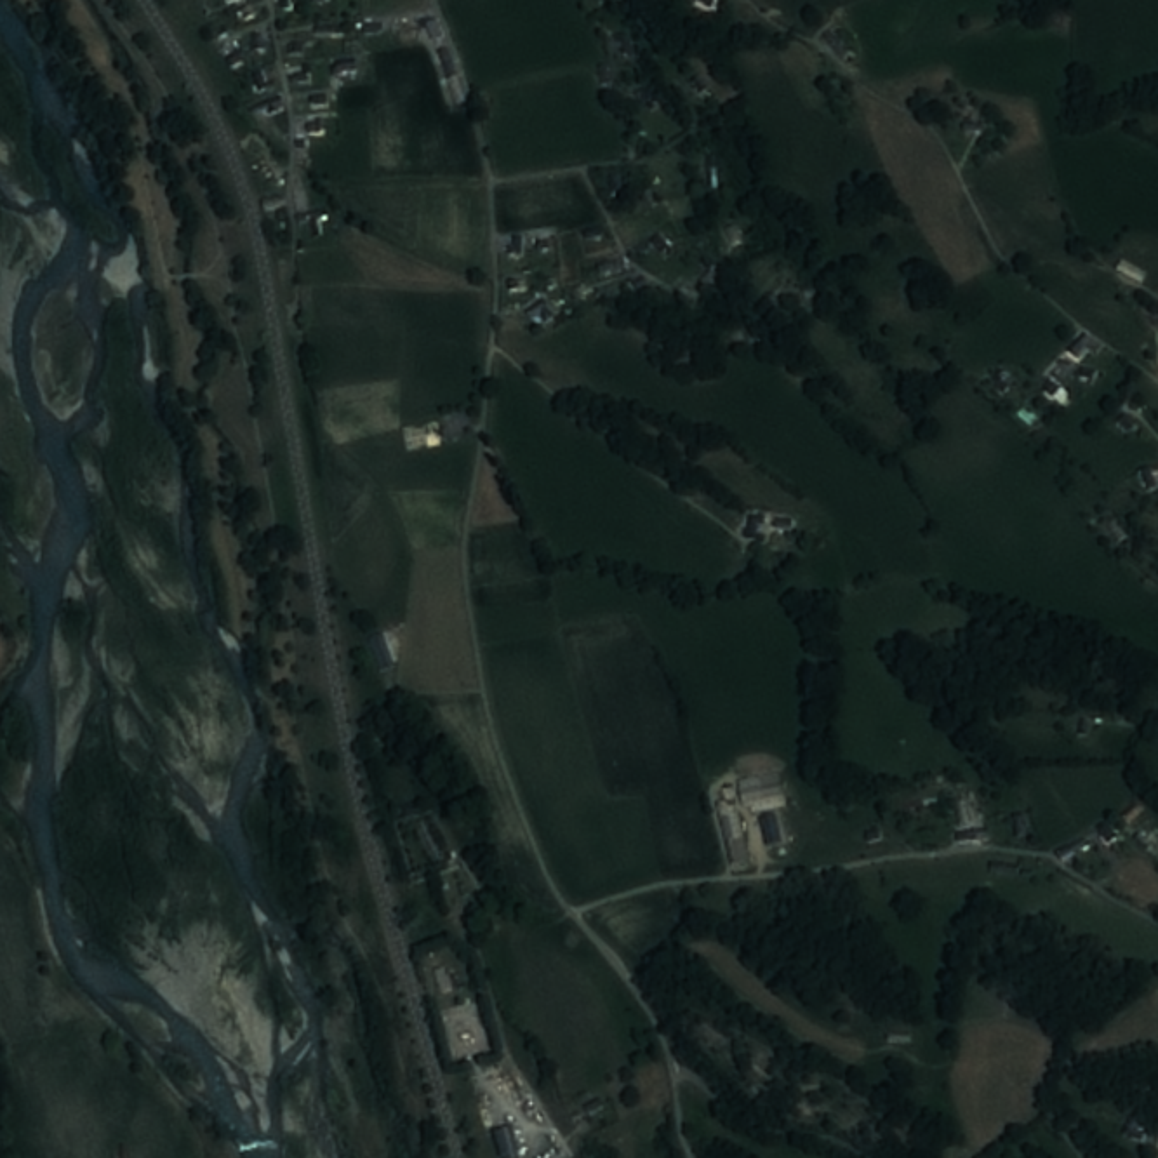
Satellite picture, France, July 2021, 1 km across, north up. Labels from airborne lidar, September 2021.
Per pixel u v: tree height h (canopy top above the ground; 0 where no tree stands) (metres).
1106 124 7
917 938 0
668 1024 15
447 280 0
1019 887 0
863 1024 0
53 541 0
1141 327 0
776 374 0
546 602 0
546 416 0
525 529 13
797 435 0
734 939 18
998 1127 0
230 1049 0
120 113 26
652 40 20
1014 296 0
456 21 0
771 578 23
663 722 0
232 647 0
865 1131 11
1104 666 20
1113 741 0
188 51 0
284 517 0
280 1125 0
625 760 0
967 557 0
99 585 0
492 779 0
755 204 17
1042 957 18
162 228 0
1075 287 0
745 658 0
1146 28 0
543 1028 0
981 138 9
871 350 19
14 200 0
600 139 0
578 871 0
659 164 0
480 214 0
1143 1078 12
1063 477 8
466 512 0
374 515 0
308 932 29
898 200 9
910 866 0
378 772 11
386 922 0
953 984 19
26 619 11
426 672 0
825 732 11
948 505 0
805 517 0
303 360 11
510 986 0
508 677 0
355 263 0
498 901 23
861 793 28
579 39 0
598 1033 0
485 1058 16
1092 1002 16
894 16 0
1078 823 0
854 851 0
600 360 0
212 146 0
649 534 0
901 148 0
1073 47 0
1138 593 0
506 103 0
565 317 8
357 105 0
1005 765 24
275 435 0
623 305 12
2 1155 16
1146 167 0
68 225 0
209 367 20
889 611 0
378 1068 8
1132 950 0
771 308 13
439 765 28
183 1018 0
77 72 20
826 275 19
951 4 0
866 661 0
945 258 0
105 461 6
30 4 8
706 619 0
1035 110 0
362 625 15
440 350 0
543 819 0
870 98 0
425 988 6
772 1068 9
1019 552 0
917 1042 0
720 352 20
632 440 21
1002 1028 0
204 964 0
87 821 8
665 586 22
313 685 0
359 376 0
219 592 10
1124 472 0
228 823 0
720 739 0
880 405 0
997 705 12
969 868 0
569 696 0
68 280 0
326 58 0
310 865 11
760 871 0
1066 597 0
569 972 0
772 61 0
